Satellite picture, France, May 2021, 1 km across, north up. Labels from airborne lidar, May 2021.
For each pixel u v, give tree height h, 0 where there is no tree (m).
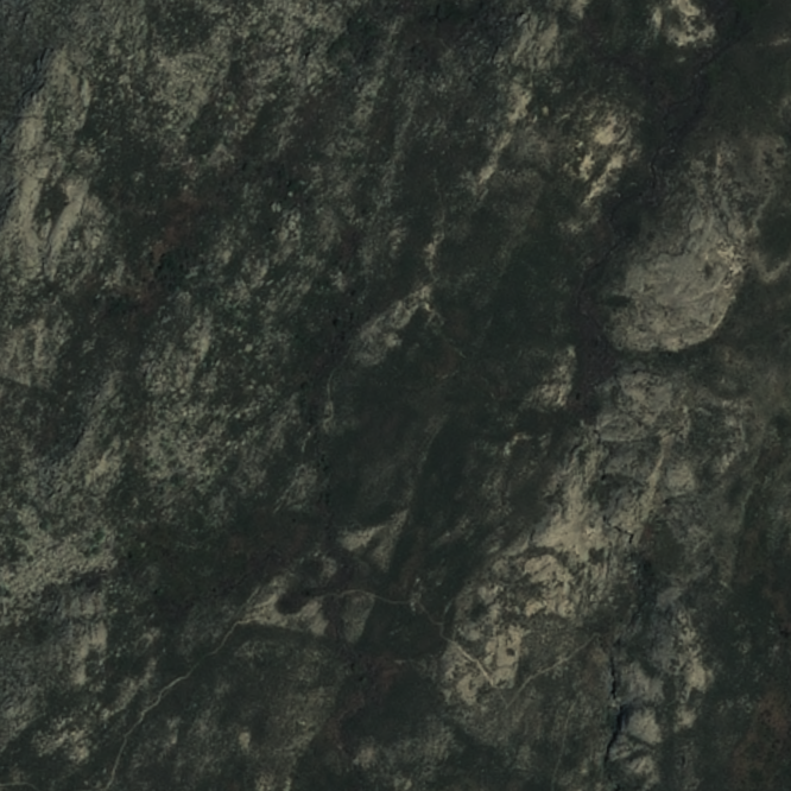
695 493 0
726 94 0
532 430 0
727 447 0
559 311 0
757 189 0
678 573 0
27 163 0
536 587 0
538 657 0
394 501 0
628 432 0
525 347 0
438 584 0
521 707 0
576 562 0
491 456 0
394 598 0
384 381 0
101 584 0
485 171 0
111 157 0
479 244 0
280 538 0
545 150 0
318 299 0
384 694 0
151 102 0
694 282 0
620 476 0
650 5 0
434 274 0
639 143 0
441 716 0
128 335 0
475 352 0
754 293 0
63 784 0
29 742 0
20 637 0
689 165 0
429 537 0
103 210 0
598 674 0
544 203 0
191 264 8
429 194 0
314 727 0
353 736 0
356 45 9
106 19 0
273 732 0
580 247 0
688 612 0
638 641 0
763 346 0
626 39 0
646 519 0
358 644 0
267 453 0
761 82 0
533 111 0
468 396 0
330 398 0
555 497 0
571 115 0
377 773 0
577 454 0
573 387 0
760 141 0
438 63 0
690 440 0
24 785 0
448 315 0
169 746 0
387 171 0
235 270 0
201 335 0
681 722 0
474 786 0
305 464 0
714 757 0
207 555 0
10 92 0
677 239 0
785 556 0
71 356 0
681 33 0
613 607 0
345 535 0
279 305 0
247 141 0
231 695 0
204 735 0
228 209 0
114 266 0
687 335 0
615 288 0
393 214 0
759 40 0
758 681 0
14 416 0
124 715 0
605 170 0
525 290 0
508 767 0
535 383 0
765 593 0
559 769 0
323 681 0
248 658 0
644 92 0
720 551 0
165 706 0
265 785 0
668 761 0
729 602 0
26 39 0
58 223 0
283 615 0
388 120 0
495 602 0
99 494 0
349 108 0
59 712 0
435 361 0
